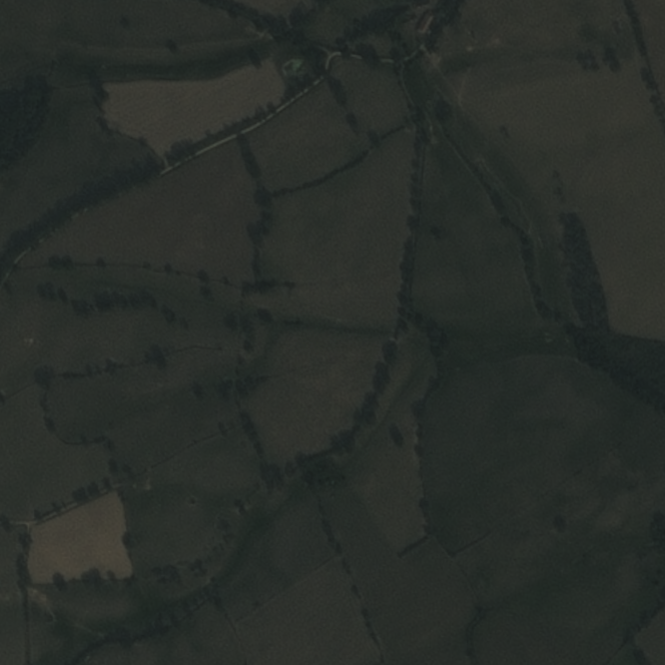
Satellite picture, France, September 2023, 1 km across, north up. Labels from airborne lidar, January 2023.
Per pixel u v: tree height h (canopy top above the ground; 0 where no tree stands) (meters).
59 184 0
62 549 0
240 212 0
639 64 0
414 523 0
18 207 0
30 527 0
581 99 0
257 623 0
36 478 0
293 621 0
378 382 15
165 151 0
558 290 0
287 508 0
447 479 0
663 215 0
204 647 0
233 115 0
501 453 0
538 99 0
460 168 0
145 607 0
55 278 0
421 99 0
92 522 0
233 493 0
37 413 0
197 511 0
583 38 0
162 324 0
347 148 0
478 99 0
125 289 0
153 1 0
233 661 0
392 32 6
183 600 0
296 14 14
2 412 0
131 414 0
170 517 0
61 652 0
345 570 11
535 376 0
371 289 0
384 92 0
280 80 0
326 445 0
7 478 0
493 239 0
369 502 0
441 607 0
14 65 0
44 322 0
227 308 0
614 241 0
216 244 0
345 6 0
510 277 0
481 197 0
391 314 0
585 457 0
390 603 0
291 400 0
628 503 0
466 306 0
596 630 0
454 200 0
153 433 0
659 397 19
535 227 0
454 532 0
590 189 0
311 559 0
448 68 0
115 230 0
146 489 0
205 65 0
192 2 0
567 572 0
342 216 0
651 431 0
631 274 0
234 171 0
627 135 0
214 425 0
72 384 0
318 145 0
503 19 0
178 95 0
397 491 0
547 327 0
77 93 0
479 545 0
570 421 0
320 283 0
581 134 0
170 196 0
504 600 0
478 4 0
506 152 0
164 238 0
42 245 0
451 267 0
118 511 0
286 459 0
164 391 0
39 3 0
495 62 0
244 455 0
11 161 18
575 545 0
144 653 0
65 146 0
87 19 0
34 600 0
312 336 0
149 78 0
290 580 0
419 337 0
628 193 0
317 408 0
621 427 0
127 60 0
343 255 0
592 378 0
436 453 0
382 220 0
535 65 0
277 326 0
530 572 0
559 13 0
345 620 0
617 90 0
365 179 0
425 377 0
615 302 0
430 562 0
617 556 0
